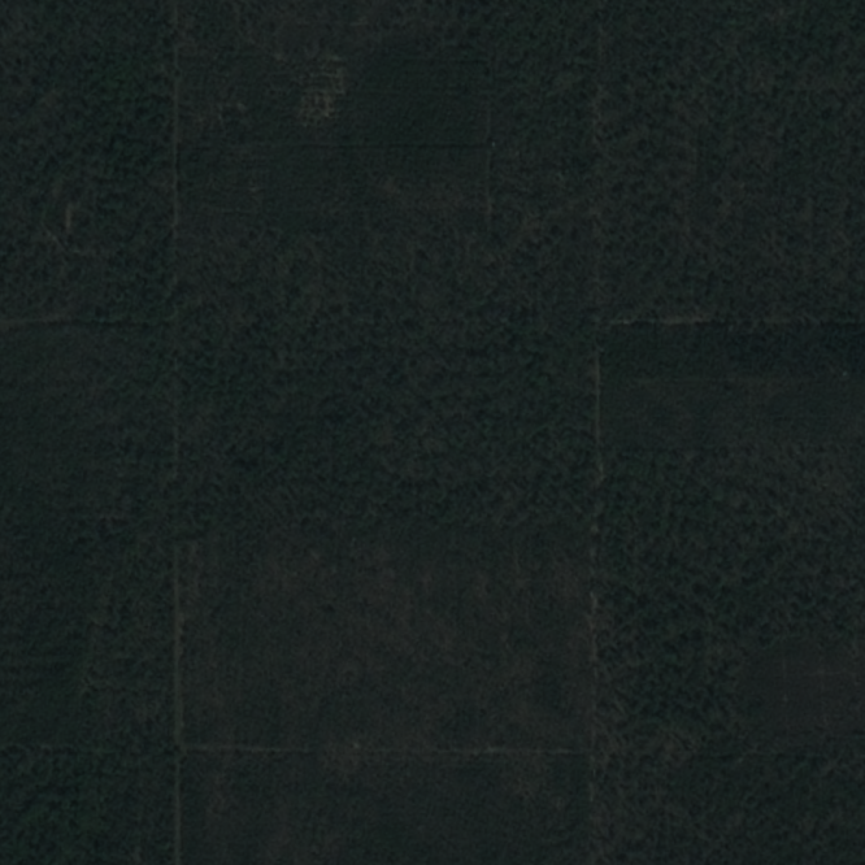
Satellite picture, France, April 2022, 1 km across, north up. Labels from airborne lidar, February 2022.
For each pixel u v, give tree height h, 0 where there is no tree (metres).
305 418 6
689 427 7
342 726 9
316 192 6
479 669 9
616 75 15
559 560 11
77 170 16
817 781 18
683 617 18
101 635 11
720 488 16
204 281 17
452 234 10
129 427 12
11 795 15
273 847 10
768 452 18
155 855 11
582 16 12
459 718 7
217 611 8
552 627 9
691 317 17
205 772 10
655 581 18
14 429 10
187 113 8
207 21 13
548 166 17
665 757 20
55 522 12
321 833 15
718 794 6
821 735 10
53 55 7
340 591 9
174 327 20
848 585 19
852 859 9
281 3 15
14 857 20
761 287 15
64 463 12
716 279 17
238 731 7
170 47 17
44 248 15
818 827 12
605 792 15
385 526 13
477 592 12
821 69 19
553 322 20
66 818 19
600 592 21
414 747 9
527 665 10
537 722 10
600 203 18
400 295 14
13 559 11
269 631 13
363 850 11
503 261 20
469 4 15
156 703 15
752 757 7
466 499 17
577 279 10
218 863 8
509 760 6
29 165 15
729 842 10
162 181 17
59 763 15
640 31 15
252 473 17
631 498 20
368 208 9
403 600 11
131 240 15
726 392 8
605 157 16
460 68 7
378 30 14
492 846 7
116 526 16
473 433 19
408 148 10
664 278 16
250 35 11
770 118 14
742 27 17
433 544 10
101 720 15
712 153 6
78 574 12
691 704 19
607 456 19
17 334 10
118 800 14
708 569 18
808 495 13
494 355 15
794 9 20
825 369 15
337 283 12
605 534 18
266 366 18
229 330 18
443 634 11
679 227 15
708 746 7
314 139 10
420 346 16
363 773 9
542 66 10
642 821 17
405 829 11
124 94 16
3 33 12
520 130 10
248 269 12
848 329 15
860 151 13
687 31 8
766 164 16
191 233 15
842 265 15
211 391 17
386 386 19
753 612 9
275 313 14
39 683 10
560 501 21
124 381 13
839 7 15
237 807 8
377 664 10
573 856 11
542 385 21
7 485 11
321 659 12
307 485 18
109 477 12
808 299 15
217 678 9
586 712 11
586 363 18
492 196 7
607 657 15
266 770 9
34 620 13
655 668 12
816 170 6
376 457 12
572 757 7
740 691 7
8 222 17
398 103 8
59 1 12
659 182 16
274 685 8
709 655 21
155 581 14
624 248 17
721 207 17
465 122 8
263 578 10
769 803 10
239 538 10
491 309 18
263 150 8
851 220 13
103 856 11
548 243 13
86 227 10
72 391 11
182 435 17
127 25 16
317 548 14
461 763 8
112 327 16
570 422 9
